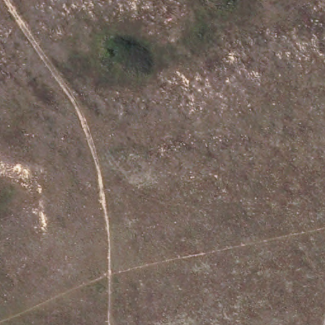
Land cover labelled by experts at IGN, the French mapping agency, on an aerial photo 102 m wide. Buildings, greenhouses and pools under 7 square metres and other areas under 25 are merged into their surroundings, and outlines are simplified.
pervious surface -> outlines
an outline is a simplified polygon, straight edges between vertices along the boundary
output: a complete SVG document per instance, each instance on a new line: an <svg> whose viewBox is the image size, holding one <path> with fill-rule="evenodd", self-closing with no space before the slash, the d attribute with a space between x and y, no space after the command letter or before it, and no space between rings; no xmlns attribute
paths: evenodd
<svg viewBox="0 0 325 325"><path fill-rule="evenodd" d="M11 162L0 161L0 175L13 178L18 171L20 178L25 179L29 176L29 170L19 164L14 166Z"/></svg>
<svg viewBox="0 0 325 325"><path fill-rule="evenodd" d="M108 325L109 325L112 322L112 234L105 203L102 170L93 137L90 135L84 114L81 113L80 104L75 99L75 91L65 83L50 58L44 55L32 30L10 0L4 0L25 37L33 44L43 65L70 99L83 127L90 154L93 156L108 241Z"/></svg>

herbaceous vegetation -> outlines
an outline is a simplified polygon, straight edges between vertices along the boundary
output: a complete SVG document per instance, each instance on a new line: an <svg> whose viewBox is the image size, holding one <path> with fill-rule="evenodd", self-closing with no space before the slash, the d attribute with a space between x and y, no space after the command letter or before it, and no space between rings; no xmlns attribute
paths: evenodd
<svg viewBox="0 0 325 325"><path fill-rule="evenodd" d="M33 44L25 37L4 0L0 0L0 161L11 162L14 166L19 164L29 170L29 176L25 179L20 178L18 171L13 178L0 175L0 325L108 325L108 241L93 156L90 154L83 127L70 99L43 65Z"/></svg>
<svg viewBox="0 0 325 325"><path fill-rule="evenodd" d="M90 135L93 137L102 170L105 203L112 234L112 322L109 325L325 325L325 0L10 0L32 30L44 55L50 58L65 83L75 91L75 99L80 104L81 113L84 114Z"/></svg>

